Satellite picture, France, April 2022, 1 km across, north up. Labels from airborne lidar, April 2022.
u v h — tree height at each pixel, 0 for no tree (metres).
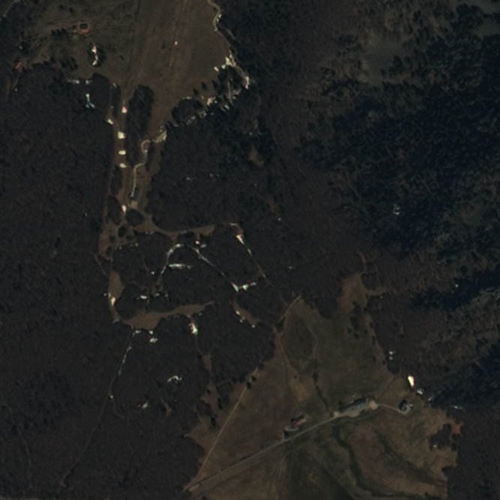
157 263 12
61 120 12
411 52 14
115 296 0
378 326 8
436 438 11
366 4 19
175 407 9
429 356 20
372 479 0
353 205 19
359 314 11
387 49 0
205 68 0
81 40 0
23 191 12
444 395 17
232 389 10
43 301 11
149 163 11
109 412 10
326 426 0
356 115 11
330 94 10
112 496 11
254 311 13
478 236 16
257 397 0
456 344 24
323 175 13
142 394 12
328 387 0
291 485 0
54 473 11
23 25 10
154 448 14
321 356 0
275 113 12
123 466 12
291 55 12
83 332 11
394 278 11
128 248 10
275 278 10
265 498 0
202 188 17
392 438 0
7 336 12
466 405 14
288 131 15
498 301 21
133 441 13
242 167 16
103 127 12
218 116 11
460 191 29
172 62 0
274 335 8
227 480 0
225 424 0
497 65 24
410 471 0
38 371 13
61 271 11
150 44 0
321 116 16
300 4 16
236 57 0
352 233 12
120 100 10
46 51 0
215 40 0
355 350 0
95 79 9
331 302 12
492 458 22
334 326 0
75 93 12
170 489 15
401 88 22
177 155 13
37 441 11
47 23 0
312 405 0
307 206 14
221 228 14
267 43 16
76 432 11
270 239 14
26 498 8
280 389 0
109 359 11
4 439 13
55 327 11
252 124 18
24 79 10
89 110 10
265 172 14
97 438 10
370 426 0
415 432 0
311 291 14
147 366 10
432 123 22
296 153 13
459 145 16
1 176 12
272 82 9
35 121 12
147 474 13
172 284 8
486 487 19
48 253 11
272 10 25
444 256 11
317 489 0
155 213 10
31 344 12
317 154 13
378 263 10
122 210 10
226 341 13
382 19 20
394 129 27
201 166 15
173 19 0
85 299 12
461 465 11
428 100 14
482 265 18
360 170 24
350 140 18
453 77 29
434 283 17
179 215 14
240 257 12
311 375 0
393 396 0
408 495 0
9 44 10
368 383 0
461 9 0
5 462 8
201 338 14
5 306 11
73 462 12
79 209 10
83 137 11
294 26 15
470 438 17
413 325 13
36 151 12
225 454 0
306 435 0
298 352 0
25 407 10
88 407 12
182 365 14
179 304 10
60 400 12
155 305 11
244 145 17
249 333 14
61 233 11
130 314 10
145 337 11
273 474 0
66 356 10
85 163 11
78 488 10
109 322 10
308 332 0
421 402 0
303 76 13
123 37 0
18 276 12
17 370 13
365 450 0
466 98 20
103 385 9
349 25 13
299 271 13
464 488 19
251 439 0
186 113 14
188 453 14
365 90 10
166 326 10
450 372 15
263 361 11
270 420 0
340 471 0
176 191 15
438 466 0
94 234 9
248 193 15
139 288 9
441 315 14
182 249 12
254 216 14
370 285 7
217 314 13
